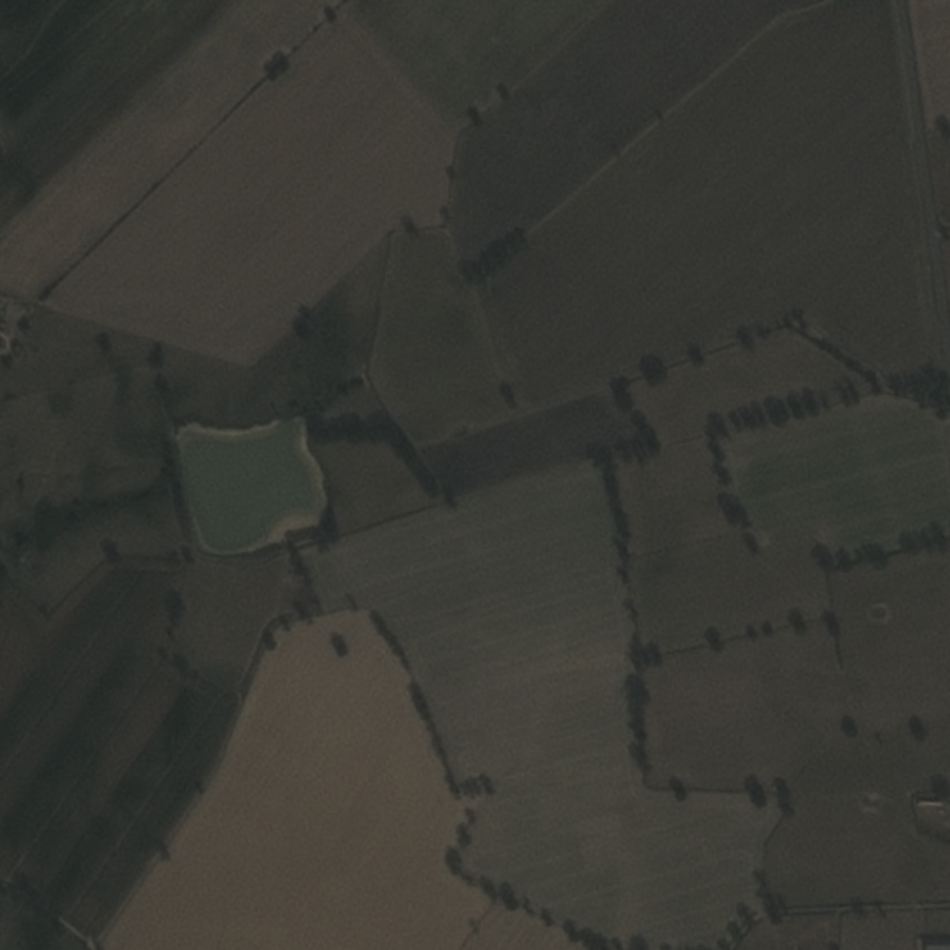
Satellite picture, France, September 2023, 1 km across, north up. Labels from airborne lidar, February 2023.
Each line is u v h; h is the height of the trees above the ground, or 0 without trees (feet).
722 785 0
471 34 0
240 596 0
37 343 0
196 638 0
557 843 0
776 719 0
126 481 0
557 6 0
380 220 0
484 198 0
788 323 40
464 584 0
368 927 0
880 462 0
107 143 0
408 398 0
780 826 0
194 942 0
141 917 0
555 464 0
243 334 0
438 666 0
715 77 0
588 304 0
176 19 0
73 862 0
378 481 0
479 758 0
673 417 0
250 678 0
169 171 0
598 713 0
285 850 0
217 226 0
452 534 0
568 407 0
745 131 0
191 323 0
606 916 0
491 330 0
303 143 0
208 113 0
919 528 0
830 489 0
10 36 0
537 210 0
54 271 0
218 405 0
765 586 0
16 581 0
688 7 0
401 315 0
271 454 0
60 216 0
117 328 0
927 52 0
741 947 0
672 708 0
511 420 0
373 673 0
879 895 0
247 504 0
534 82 0
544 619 0
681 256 0
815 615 0
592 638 0
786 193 0
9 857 0
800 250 0
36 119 0
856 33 0
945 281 0
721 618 0
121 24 0
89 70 0
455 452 0
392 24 0
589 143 0
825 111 0
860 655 0
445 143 0
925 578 0
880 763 0
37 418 0
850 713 0
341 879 0
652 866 0
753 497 0
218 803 0
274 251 0
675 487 0
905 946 0
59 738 0
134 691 0
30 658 0
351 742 0
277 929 0
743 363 0
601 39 0
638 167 0
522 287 0
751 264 0
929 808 0
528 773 0
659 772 0
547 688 0
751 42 0
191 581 0
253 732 0
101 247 0
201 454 0
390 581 0
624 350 0
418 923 0
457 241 0
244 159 0
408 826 0
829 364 0
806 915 0
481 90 0
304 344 0
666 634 0
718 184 0
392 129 0
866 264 0
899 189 0
